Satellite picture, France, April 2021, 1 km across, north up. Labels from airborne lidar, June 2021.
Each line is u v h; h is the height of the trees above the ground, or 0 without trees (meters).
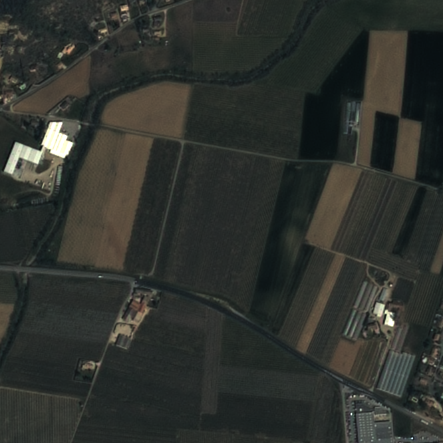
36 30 11
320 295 0
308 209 0
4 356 11
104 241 0
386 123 0
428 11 0
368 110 0
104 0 6
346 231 0
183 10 0
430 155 0
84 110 7
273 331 0
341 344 0
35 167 0
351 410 0
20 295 12
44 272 0
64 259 0
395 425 0
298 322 0
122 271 0
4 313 0
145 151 0
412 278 0
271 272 0
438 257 0
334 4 0
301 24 18
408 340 0
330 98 0
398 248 0
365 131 0
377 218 0
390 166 0
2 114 7
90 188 0
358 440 0
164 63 0
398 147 0
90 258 0
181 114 0
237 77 12
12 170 0
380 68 0
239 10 0
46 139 0
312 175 0
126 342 0
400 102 0
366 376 0
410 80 0
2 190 0
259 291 0
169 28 0
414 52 0
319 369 0
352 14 0
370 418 0
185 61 0
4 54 0
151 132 0
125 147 0
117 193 0
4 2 7
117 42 0
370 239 0
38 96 0
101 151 0
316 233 0
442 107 0
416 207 0
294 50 11
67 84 0
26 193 0
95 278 0
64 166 10
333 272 0
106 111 0
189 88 0
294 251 0
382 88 0
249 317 0
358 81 0
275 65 10
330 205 0
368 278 0
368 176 0
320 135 0
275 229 0
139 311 0
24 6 14
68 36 7
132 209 0
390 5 0
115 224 0
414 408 0
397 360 0
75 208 0
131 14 0
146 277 0
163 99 0
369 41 0
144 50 0
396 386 0
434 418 0
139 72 0
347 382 0
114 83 5
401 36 0
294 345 0
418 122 0
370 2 0
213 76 8
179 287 0
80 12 9
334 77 0
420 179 0
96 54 0
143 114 0
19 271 0
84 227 0
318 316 0
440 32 0
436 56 0
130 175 0
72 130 0
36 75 12
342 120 0
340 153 0
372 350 0
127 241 0
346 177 0
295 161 0
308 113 0
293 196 0
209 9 0
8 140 0
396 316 16
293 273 0
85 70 0
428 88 0
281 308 0
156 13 0
